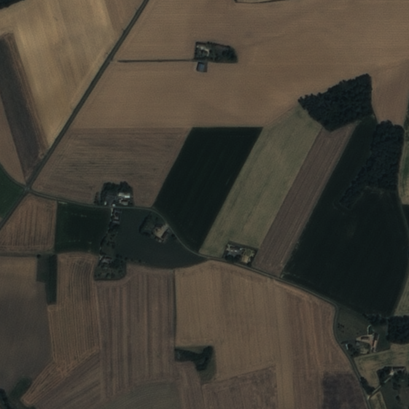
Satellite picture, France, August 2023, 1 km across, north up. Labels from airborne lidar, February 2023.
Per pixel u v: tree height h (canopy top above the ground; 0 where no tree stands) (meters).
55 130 0
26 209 0
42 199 0
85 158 0
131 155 0
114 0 0
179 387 0
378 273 0
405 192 0
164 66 0
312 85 0
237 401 0
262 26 0
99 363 0
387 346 0
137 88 0
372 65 0
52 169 0
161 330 0
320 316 0
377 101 0
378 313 0
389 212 0
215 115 0
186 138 0
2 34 0
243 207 0
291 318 0
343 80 0
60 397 0
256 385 0
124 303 0
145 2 0
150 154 0
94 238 0
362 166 0
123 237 0
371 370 0
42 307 0
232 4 0
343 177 0
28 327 0
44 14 0
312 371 0
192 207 0
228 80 0
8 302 0
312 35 0
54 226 0
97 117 0
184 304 0
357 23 0
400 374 12
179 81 0
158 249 0
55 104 0
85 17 0
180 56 0
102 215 0
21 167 0
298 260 0
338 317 0
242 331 0
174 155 0
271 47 0
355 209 0
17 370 0
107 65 0
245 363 0
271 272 0
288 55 0
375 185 15
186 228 0
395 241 0
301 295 0
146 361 0
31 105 0
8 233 0
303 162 0
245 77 0
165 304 0
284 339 0
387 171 19
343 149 0
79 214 0
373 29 0
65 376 0
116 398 0
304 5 0
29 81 0
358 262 0
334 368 0
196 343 0
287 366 0
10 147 0
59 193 0
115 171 0
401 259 0
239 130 0
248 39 0
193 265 0
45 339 0
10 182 0
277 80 0
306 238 0
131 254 0
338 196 0
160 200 0
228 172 0
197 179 0
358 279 0
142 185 0
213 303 0
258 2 0
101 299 0
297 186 0
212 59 10
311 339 0
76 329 0
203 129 0
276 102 0
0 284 0
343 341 0
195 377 0
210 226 0
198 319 0
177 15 0
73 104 0
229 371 0
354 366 0
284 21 0
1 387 0
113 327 0
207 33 0
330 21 0
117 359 0
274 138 0
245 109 0
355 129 0
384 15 0
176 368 0
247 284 0
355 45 0
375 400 0
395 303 0
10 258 0
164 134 0
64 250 0
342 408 0
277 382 0
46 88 0
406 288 0
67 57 0
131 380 0
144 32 0
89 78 0
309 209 0
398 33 0
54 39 0
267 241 0
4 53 0
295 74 0
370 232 0
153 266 0
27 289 0
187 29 0
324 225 0
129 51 0
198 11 0
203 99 0
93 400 0
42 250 0
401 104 0
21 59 0
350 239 0
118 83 0
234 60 18
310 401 0
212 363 0
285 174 0
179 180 0
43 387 0
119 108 0
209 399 0
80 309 0
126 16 0
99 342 0
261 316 0
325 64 0
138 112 0
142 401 0
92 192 0
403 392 0
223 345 0
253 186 0
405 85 0
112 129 0
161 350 0
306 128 0
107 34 0
